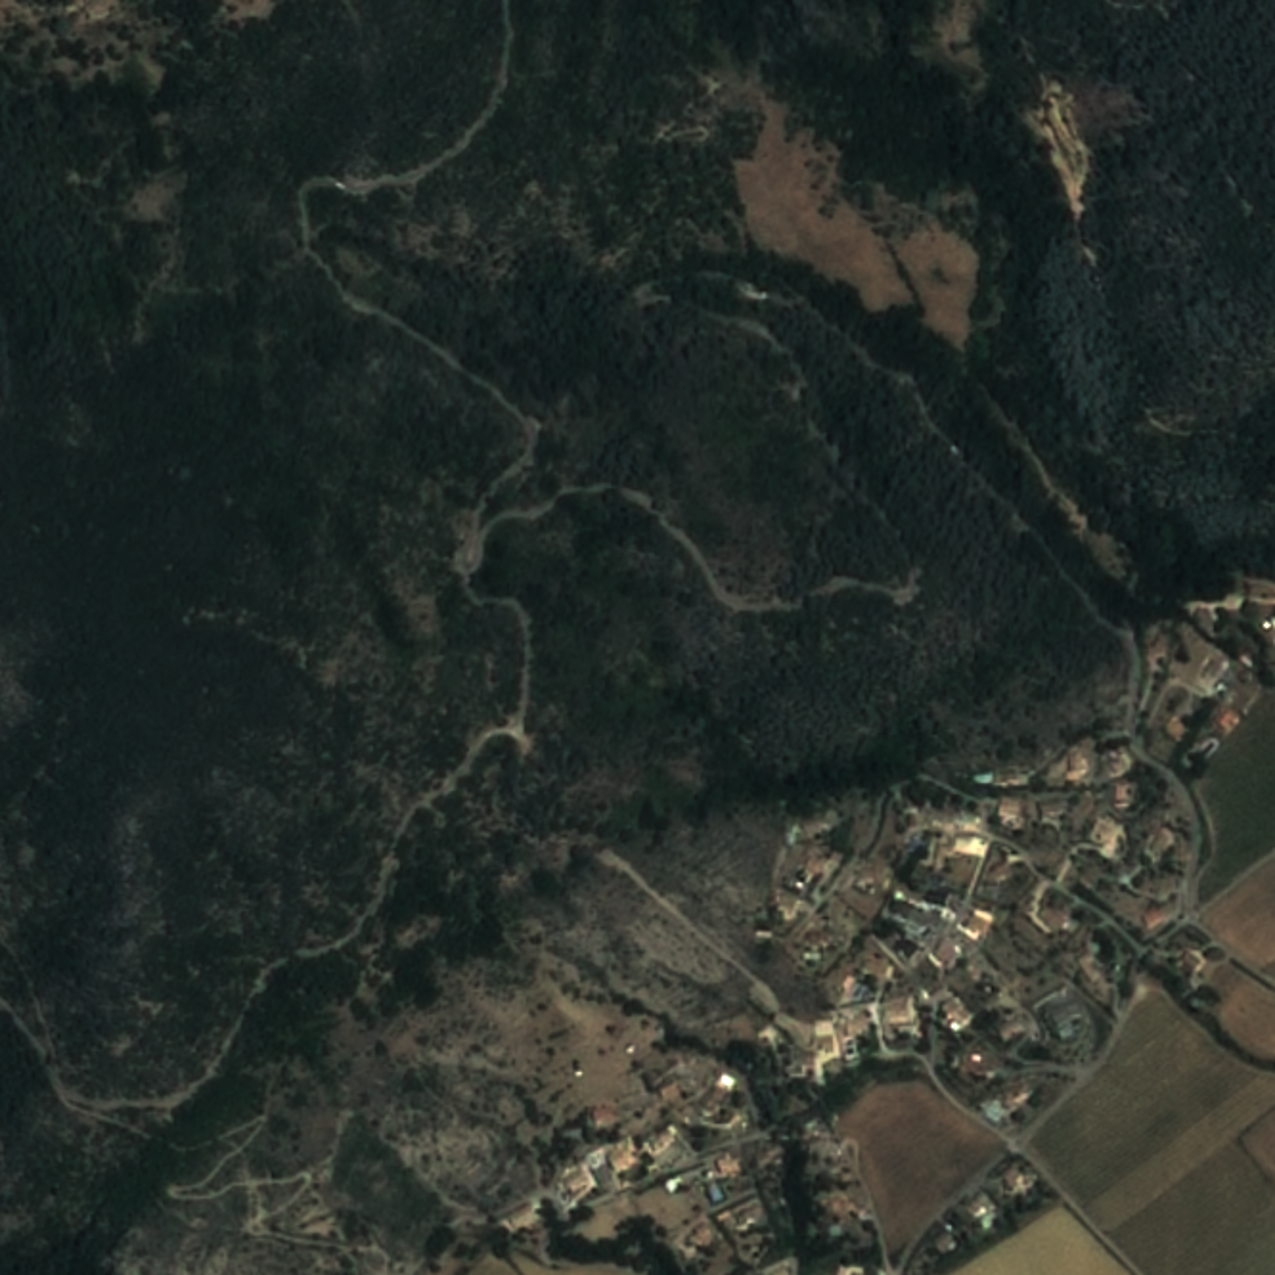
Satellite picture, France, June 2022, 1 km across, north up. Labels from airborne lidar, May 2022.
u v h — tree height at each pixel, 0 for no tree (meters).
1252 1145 0
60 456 6
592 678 6
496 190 6
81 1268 12
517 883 0
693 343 7
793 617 8
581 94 7
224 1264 0
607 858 0
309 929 8
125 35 9
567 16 6
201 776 6
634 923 0
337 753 6
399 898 9
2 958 7
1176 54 18
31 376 8
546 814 7
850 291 10
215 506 9
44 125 11
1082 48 7
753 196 0
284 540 10
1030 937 0
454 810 7
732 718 8
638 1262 10
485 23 6
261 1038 8
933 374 11
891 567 9
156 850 6
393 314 7
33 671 8
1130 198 7
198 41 6
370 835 12
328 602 6
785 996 0
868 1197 0
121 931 6
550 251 8
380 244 8
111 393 8
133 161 10
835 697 16
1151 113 16
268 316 9
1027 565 17
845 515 10
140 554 7
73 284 14
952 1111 0
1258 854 0
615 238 8
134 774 7
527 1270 0
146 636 9
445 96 8
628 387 8
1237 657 10
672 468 7
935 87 14
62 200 12
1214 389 19
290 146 8
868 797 11
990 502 12
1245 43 21
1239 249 7
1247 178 8
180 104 8
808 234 0
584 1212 10
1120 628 8
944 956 0
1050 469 8
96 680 8
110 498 8
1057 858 0
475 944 10
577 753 6
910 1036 7
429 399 9
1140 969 9
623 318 15
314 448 7
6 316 9
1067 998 0
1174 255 12
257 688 7
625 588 9
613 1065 0
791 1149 9
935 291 0
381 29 6
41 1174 7
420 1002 10
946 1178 0
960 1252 11
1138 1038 0
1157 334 7
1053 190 8
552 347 15
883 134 11
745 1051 12
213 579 9
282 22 7
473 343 17
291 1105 7
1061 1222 0
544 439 7
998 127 22
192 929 7
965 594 14
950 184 6
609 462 14
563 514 7
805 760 9
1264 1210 0
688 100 6
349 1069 6
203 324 8
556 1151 6
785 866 0
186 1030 6
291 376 6
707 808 9
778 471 7
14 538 9
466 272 16
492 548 10
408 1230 6
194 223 7
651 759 6
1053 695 11
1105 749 8
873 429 16
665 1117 7
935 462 17
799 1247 8
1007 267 19
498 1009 0
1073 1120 0
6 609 7
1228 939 0
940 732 8
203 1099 9
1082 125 0
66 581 10
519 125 6
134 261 9
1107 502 15
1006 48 10
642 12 11
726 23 11
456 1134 0
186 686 7
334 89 7
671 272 12
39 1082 8
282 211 7
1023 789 7
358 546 9
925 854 11
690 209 6
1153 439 8
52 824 7
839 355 17
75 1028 7
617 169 8
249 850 6
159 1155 9
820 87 9
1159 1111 0
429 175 6
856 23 6
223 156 7
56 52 8
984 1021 7
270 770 8
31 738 10
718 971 0
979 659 13
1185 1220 0
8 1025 7
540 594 9
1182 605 9
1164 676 6
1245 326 16
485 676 7
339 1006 8
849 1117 0
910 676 12
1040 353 12
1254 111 9
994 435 12
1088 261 10
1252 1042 0
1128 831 8
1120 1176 0
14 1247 6
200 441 8
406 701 7
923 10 10
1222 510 17
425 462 12
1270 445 18
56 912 6
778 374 7
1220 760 0
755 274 7
